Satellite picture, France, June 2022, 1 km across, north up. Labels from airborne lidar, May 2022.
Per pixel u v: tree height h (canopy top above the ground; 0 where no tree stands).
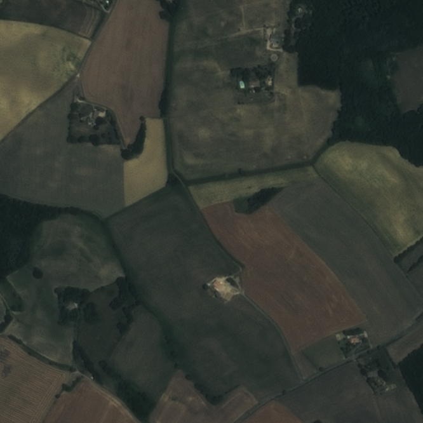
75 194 0
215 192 0
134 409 8
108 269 0
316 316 0
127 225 0
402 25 16
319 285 0
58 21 0
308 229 0
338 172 0
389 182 0
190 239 0
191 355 0
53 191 0
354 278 0
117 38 0
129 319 8
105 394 0
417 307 0
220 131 0
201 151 0
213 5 0
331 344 0
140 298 9
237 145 0
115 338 0
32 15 0
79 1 0
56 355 0
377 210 0
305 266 0
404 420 0
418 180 0
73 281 0
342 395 0
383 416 0
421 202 0
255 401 0
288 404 0
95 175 0
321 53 18
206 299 0
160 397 0
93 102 0
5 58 0
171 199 0
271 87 6
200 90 0
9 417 0
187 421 0
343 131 17
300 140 0
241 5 0
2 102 0
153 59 0
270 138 0
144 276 0
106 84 0
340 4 23
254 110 0
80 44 0
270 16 0
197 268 0
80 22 0
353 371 0
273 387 0
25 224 17
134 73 0
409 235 0
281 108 0
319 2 21
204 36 0
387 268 0
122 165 0
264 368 0
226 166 0
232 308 0
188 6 0
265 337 0
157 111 0
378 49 22
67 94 0
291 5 11
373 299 0
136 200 0
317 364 0
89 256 0
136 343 0
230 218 0
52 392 0
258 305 0
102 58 0
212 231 0
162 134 0
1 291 0
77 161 0
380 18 7
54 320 0
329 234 0
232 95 0
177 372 0
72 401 0
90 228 0
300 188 0
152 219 0
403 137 27
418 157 16
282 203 0
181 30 0
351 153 0
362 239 0
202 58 0
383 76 10
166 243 0
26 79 0
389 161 0
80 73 0
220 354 0
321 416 0
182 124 0
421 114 16
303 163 0
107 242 0
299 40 16
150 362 0
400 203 0
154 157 0
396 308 0
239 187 0
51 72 0
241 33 0
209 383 0
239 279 0
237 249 0
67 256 0
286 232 0
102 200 0
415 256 0
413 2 10
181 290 0
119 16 0
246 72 13
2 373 0
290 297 0
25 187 0
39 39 0
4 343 0
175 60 0
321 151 0
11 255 22
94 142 12
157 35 0
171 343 10
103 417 0
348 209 0
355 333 15
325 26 27
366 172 0
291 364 0
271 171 0
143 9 0
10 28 0
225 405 0
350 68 18
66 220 0
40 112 0
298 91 0
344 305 0
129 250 0
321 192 0
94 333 0
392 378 0
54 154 0
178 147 0
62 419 0
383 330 0
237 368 0
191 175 0
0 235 17
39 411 0
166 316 0
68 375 0
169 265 0
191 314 0
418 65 0
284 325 0
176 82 0
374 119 9
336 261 0
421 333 0
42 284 0
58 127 0
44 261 0
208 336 0
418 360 13
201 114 0
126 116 0
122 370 0
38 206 17
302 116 0
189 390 0
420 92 0
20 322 0
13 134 0
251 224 0
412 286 0
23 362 0
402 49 13
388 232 0
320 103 0
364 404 0
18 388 0
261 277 0
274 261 0
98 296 0
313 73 12
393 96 7
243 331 0
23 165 0
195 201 0
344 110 20
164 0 14
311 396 0
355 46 25
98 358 0
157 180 0
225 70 0
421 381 10
